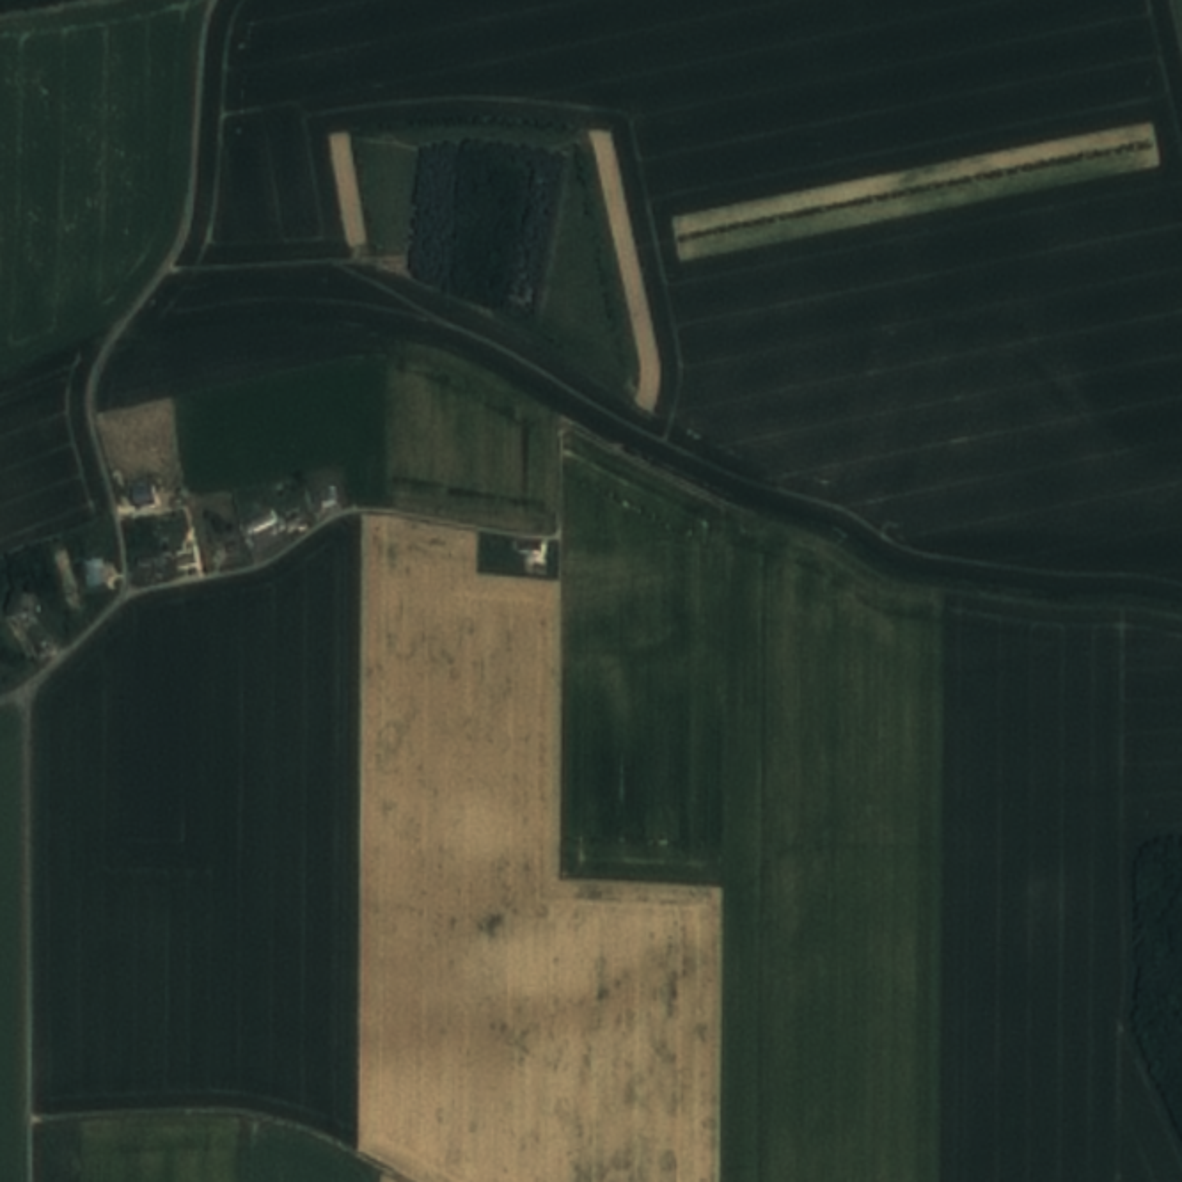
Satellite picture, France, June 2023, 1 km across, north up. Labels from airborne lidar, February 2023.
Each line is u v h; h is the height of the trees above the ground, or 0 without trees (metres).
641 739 0
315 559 0
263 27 0
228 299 0
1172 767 0
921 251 0
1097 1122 0
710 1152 0
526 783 0
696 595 0
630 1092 0
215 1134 0
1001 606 0
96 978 0
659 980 0
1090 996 0
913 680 0
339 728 0
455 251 14
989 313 0
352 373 0
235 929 0
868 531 0
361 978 0
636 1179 0
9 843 0
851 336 0
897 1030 0
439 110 0
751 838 0
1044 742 0
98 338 0
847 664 0
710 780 0
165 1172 0
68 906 0
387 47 0
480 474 0
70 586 0
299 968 0
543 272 11
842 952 0
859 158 0
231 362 0
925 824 0
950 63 0
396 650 0
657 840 0
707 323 0
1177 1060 20
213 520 8
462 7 0
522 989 0
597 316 0
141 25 0
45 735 0
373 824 0
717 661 0
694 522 0
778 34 0
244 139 0
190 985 0
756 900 0
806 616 0
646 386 0
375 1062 0
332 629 0
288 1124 0
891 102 0
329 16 0
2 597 8
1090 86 0
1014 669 0
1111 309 0
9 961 0
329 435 0
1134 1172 0
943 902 0
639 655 0
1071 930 0
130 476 0
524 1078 0
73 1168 0
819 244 0
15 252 0
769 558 0
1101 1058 0
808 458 0
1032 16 0
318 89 0
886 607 0
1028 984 0
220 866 0
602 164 0
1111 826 0
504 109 0
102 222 0
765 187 0
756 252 0
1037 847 0
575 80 0
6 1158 0
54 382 0
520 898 0
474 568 0
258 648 0
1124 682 0
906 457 0
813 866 0
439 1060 0
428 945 0
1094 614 0
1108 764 0
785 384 0
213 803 0
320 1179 0
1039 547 0
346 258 0
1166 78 0
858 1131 0
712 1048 0
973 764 0
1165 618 0
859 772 0
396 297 0
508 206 17
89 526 0
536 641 0
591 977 0
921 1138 0
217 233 0
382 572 0
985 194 0
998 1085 0
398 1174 0
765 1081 0
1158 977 17
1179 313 0
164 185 0
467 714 0
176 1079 0
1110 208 0
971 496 0
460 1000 0
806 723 0
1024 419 0
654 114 0
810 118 0
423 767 0
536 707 0
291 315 0
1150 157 0
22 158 0
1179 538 0
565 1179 0
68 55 0
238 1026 0
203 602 0
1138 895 13
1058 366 0
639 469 0
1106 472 0
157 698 0
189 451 0
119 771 0
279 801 0
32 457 0
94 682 0
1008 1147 0
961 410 0
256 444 0
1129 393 0
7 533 0
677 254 0
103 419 0
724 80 0
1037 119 0
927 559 0
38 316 0
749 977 0
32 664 14
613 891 0
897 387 0
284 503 0
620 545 0
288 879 0
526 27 0
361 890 0
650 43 0
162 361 0
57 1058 0
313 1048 0
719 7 0
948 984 0
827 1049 0
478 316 0
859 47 0
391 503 0
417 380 0
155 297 0
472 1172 0
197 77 0
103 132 0
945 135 0
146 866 0
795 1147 0
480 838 0
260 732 0
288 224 0
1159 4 0
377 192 0
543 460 0
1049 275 0
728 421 0
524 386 0
